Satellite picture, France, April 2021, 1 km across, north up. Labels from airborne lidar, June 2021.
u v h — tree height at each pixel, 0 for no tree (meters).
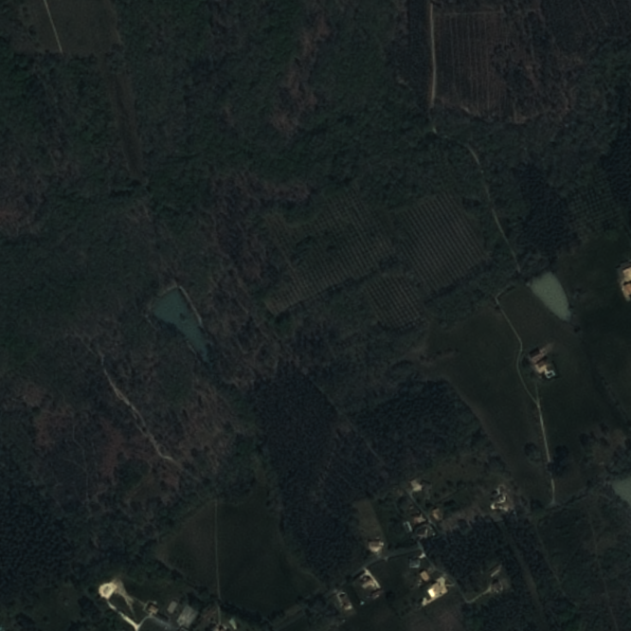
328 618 19
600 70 21
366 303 17
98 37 0
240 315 10
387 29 14
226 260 13
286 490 21
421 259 28
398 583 0
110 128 14
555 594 18
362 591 0
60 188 15
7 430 11
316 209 16
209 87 20
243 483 24
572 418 0
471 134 19
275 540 0
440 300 17
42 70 11
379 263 21
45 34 0
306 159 19
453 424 23
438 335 0
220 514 0
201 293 15
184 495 16
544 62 16
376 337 19
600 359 0
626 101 16
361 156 15
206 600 9
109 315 7
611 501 8
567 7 15
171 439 7
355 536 11
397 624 0
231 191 15
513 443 0
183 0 20
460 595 0
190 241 16
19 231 10
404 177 9
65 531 24
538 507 16
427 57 16
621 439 0
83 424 7
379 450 19
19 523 20
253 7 15
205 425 13
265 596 0
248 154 19
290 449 20
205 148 22
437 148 25
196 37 22
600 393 0
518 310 0
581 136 20
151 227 12
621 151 19
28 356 17
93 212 25
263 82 26
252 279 12
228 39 25
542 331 0
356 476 17
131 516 11
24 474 20
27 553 24
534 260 10
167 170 21
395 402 19
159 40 14
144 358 10
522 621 17
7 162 7
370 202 17
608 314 0
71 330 14
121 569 16
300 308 12
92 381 8
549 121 11
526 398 0
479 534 19
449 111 14
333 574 21
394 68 15
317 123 11
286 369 13
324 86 18
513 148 17
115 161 10
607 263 0
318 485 17
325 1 12
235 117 18
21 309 20
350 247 21
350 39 18
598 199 18
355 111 19
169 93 19
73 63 6
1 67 23
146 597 0
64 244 16
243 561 0
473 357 0
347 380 14
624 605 8
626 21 17
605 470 0
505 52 19
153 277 20
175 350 20
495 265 15
